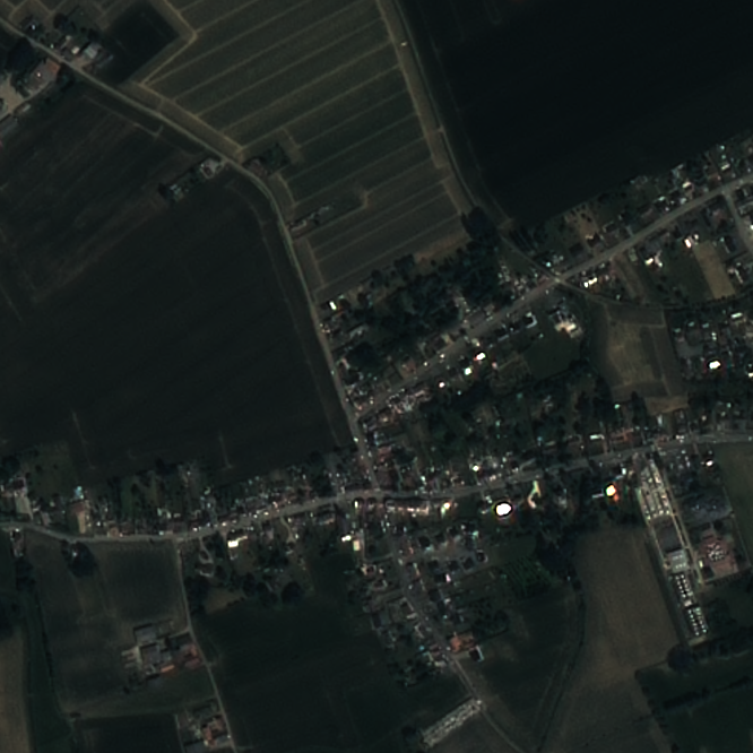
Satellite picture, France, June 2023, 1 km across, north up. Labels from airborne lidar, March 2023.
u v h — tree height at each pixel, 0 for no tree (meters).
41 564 0
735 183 0
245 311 0
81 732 0
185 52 0
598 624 0
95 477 0
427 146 0
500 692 0
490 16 0
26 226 0
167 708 0
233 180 0
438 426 15
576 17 0
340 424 0
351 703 0
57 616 0
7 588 0
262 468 0
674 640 0
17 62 21
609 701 0
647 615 0
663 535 0
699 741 0
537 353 0
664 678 0
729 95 0
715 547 0
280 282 0
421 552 0
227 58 0
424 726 0
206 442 0
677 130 0
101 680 0
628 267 0
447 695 0
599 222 0
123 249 0
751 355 6
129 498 0
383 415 0
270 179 0
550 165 0
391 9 0
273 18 0
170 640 10
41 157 0
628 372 0
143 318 0
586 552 0
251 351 0
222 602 0
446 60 0
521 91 0
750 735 0
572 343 0
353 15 0
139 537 0
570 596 0
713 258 0
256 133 0
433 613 0
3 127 0
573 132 0
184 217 0
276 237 0
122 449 0
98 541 0
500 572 6
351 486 0
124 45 0
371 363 11
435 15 0
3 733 0
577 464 0
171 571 0
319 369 0
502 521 0
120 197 0
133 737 0
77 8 0
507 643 0
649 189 0
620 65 0
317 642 0
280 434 0
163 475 15
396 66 0
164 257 0
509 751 0
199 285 0
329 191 0
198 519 0
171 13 0
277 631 0
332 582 0
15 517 8
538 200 0
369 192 0
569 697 0
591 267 0
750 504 0
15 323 0
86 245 0
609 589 0
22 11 0
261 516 0
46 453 0
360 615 0
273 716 0
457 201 0
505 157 0
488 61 0
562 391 15
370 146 0
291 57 0
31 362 0
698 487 14
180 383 0
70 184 0
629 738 0
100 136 0
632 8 0
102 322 0
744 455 0
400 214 0
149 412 0
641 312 0
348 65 0
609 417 11
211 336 0
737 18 0
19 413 0
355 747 0
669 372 0
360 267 0
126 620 0
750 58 0
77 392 0
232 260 0
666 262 0
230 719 0
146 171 0
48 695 0
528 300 0
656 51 0
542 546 10
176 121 0
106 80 0
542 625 0
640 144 0
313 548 0
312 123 0
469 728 0
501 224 0
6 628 24
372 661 0
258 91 0
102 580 0
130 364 0
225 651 0
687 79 0
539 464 9
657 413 0
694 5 0
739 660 0
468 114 0
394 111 0
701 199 0
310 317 0
